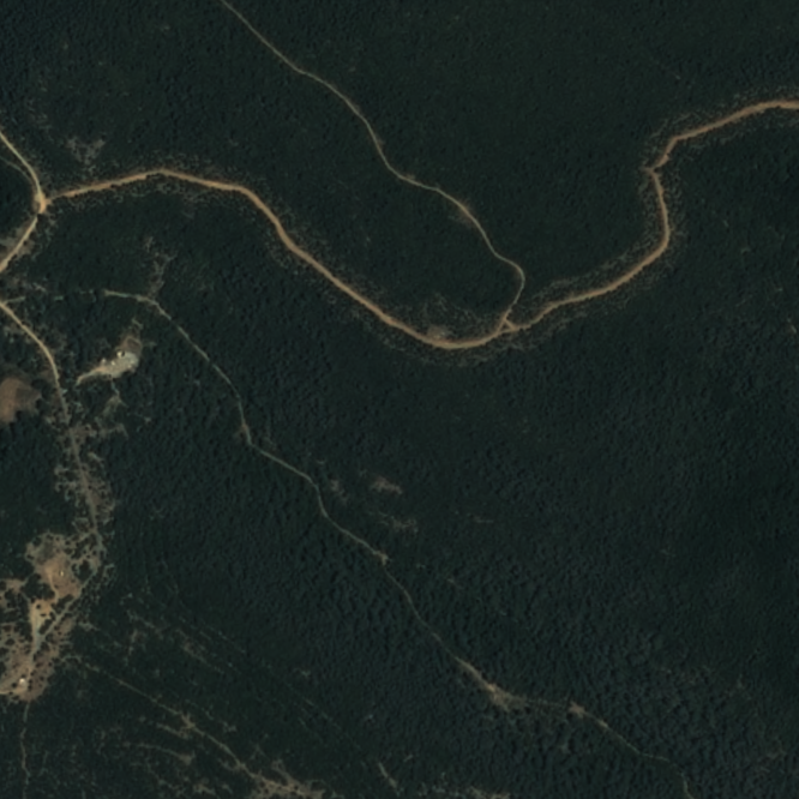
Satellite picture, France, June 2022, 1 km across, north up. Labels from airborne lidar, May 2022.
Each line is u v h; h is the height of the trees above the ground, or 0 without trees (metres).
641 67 8
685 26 6
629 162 8
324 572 21
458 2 6
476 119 7
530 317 5
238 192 7
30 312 7
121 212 8
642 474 8
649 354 10
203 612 9
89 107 11
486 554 12
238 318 7
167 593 10
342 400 6
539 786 16
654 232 6
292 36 7
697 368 11
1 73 14
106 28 13
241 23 6
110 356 17
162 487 13
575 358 10
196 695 9
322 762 6
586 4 6
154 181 6
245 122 6
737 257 7
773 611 14
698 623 10
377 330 8
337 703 11
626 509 7
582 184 7
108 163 8
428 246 9
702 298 6
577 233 6
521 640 16
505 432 6
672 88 6
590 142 8
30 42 13
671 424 16
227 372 19
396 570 11
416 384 7
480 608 8
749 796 12
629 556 14
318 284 6
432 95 5
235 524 17
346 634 22
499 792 11
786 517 11
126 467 15
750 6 9
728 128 8
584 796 11
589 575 12
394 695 16
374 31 6
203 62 7
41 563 0
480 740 16
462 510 8
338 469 9
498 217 6
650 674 9
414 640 19
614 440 11
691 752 18
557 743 20
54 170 9
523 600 9
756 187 11
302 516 20
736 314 6
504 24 6
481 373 9
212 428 9
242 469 9
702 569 10
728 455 21
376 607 19
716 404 17
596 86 6
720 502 16
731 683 6
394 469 10
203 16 6
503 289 6
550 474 7
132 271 8
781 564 13
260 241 6
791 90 6
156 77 7
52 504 6
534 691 20
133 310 9
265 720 7
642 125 10
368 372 6
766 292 8
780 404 8
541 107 9
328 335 8
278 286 6
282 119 6
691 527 8
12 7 14
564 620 26
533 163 6
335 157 8
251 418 10
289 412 14
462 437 7
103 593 8
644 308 6
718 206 7
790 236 9
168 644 5
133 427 5
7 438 16
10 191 11
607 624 9
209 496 11
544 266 6
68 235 9
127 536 6
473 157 6
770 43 6
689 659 10
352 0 6
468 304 11
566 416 12
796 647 11
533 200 7
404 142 8
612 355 7
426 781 6
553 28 6
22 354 16
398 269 7
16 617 6
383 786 8
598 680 22
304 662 7
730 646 7
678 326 7
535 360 5
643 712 21
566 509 17
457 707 18
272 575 15
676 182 6
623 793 19
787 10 7
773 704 8
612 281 6
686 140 6
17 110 9
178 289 7
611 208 7
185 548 12
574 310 7
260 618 8
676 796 12
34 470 13
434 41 5
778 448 13
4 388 0
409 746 9
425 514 7
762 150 12
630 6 6
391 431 8
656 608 17
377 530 8
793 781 15
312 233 6
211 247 7
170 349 8
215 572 9
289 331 8
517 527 9
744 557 13
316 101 6
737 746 17
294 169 5
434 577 20
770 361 8
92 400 16
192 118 7
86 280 10
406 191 6
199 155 6
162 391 16
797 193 17
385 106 7
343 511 7
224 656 7
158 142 6
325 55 6
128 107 8
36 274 7
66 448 7
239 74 6
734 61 8
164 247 11
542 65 6
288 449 8
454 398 6
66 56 6
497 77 6
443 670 18
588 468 8
